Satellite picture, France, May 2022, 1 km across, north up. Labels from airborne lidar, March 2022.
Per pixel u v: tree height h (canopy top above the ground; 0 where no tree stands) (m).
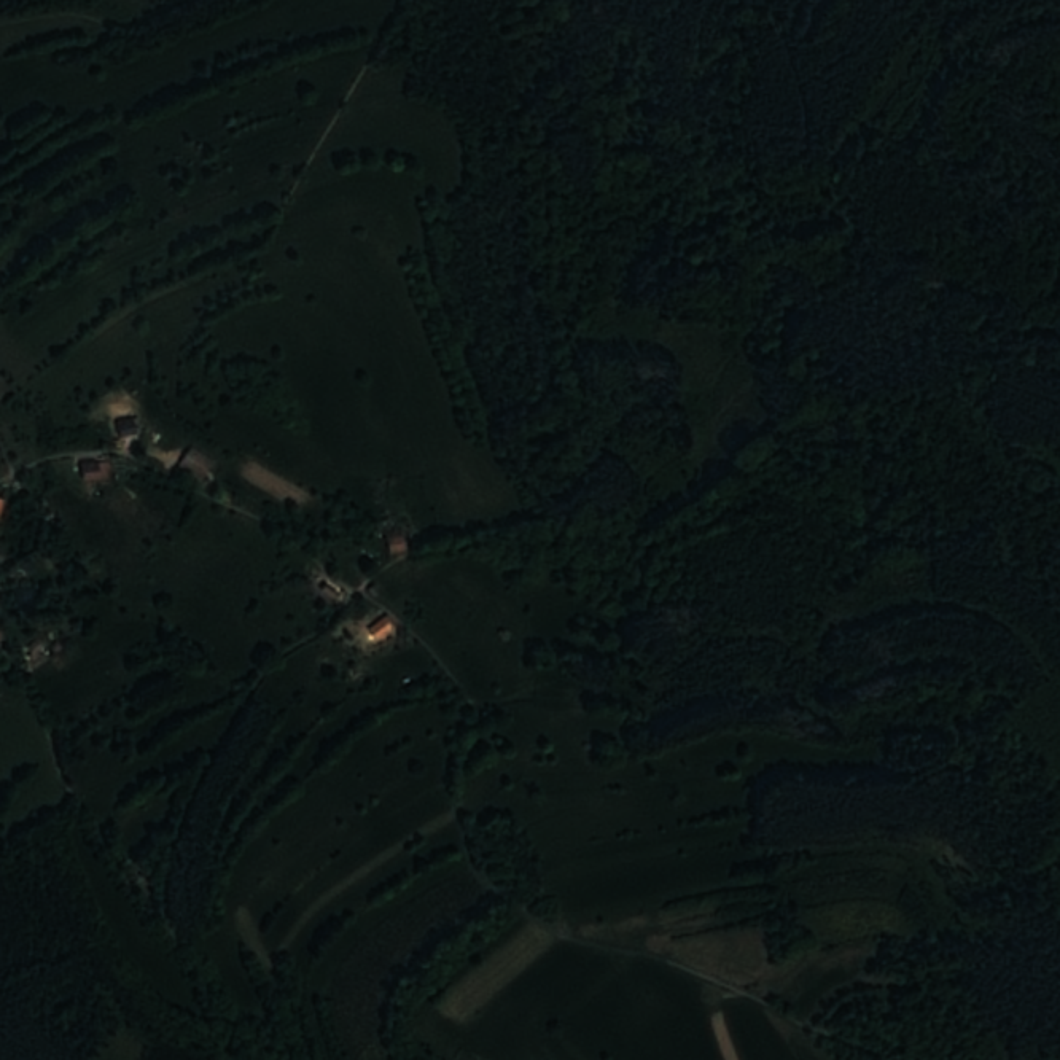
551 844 0
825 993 0
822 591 13
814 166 24
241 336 0
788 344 28
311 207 0
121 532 0
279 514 6
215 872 16
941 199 20
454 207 19
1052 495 29
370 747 0
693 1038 0
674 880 0
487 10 15
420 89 12
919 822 30
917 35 19
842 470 25
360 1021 0
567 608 0
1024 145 20
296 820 0
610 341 0
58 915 15
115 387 12
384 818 0
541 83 21
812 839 25
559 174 22
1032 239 10
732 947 0
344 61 0
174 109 17
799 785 30
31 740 0
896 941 9
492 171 20
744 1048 0
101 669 0
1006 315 33
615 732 0
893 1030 20
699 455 0
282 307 0
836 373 17
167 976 0
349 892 0
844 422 28
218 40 0
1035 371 27
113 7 0
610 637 22
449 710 17
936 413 16
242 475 0
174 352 0
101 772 0
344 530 10
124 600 0
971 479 15
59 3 9
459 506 0
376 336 0
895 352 30
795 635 8
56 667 0
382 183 0
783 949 19
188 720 12
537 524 24
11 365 0
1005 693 10
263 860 0
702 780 0
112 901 0
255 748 14
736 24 17
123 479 0
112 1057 0
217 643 0
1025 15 13
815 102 19
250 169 0
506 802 0
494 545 30
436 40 13
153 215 0
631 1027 0
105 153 14
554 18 32
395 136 0
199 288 0
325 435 0
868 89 15
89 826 10
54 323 0
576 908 0
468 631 0
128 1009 15
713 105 29
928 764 29
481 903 0
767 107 18
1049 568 18
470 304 19
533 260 23
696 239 29
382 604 0
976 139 13
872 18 22
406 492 0
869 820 31
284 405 19
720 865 0
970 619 18
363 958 0
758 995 0
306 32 0
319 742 0
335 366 0
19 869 14
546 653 22
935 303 26
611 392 26
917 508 24
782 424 25
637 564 11
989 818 27
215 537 0
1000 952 30
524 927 0
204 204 0
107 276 0
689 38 27
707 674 8
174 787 13
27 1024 22
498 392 22
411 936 0
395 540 0
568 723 0
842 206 12
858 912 0
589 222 8
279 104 0
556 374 30
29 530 7
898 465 23
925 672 28
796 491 21
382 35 9
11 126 12
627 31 27
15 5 15
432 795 0
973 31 26
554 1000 0
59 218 0
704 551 7
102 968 17
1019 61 16
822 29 25
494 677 0
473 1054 0
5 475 0
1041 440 6
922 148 24
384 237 0
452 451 0
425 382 0
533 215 24
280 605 0
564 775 0
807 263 25
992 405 26
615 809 0
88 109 0
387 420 0
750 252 35
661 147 24
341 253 0
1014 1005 30
